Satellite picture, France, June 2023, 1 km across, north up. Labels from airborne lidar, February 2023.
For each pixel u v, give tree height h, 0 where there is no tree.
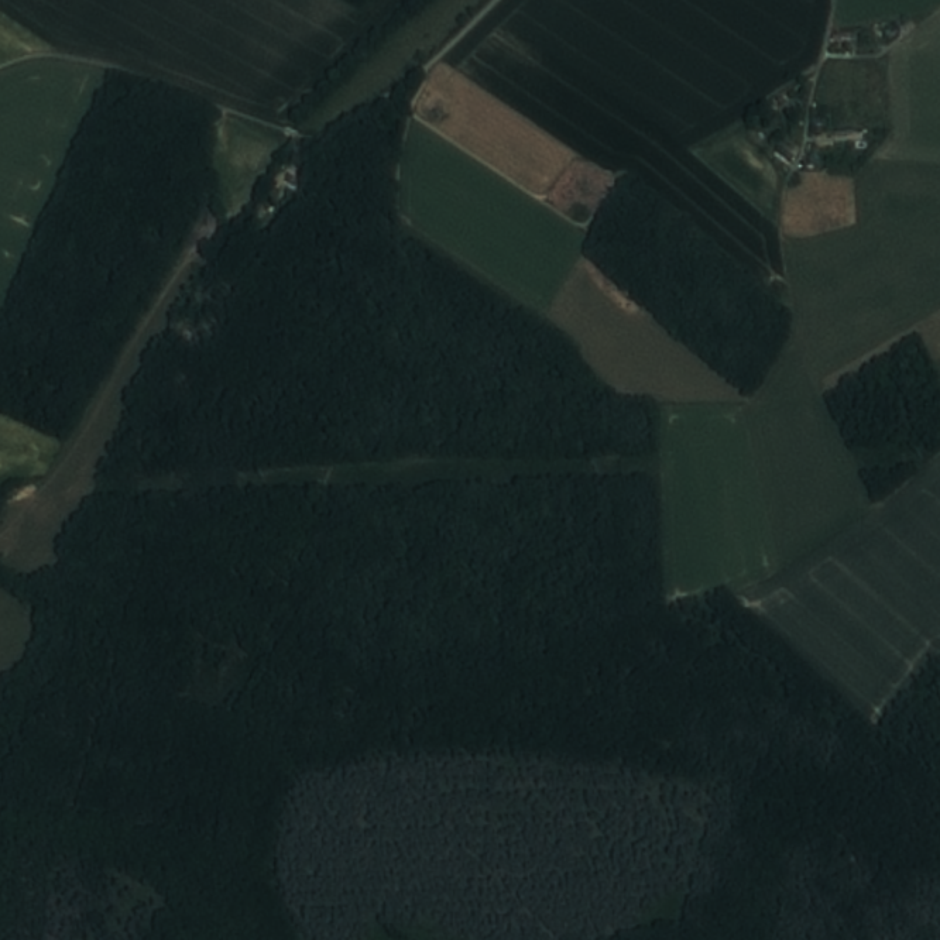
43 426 15
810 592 0
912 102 0
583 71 0
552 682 20
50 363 20
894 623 0
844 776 20
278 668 19
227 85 0
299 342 21
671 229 21
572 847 18
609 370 0
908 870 22
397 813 18
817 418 0
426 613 20
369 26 0
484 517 21
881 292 0
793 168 0
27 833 18
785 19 0
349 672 21
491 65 0
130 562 16
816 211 0
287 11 0
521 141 0
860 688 0
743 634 25
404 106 12
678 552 0
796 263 0
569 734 16
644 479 17
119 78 13
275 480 0
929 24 0
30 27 0
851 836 19
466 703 23
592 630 24
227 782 20
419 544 23
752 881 23
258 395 17
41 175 0
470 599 19
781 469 0
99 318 27
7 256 0
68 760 14
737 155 0
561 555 12
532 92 0
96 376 21
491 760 17
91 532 20
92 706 10
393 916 16
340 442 19
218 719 17
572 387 21
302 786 16
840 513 0
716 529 0
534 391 25
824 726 14
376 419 22
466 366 23
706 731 16
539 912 17
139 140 24
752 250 0
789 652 14
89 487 0
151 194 28
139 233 25
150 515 18
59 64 0
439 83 0
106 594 21
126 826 18
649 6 0
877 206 0
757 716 18
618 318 0
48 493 0
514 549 21
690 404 0
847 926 17
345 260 20
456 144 0
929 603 0
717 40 0
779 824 21
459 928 15
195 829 13
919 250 0
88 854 18
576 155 0
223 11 0
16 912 17
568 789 11
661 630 22
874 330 0
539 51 0
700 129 0
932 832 21
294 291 24
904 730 24
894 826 22
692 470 0
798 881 18
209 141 23
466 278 19
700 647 22
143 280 25
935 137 0
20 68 0
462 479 0
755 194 0
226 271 22
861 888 19
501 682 24
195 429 15
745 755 15
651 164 0
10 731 16
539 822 16
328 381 20
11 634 0
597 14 0
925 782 23
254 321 19
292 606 15
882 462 0
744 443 0
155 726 19
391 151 16
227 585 13
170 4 0
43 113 0
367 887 18
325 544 17
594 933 17
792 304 0
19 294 18
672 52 0
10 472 0
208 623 14
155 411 18
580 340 0
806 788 16
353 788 17
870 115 0
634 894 15
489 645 22
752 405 0
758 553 0
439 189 0
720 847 18
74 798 14
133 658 15
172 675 15
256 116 0
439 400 28
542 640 21
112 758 8
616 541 21
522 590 19
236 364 22
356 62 18
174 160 27
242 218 9
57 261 24
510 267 0
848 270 0
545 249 0
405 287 22
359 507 20
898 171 0
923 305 0
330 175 22
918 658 0
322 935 19
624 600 21
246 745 19
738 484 0
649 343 0
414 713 14
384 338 23
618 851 16
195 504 14
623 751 14
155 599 16
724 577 0
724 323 22
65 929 19
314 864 19
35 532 0
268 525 21
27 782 16
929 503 0
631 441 20
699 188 0
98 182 26
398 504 19
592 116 0
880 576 0
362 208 23
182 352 20
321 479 0
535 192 0
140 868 18
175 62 0
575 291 0
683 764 9
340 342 20
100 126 22
